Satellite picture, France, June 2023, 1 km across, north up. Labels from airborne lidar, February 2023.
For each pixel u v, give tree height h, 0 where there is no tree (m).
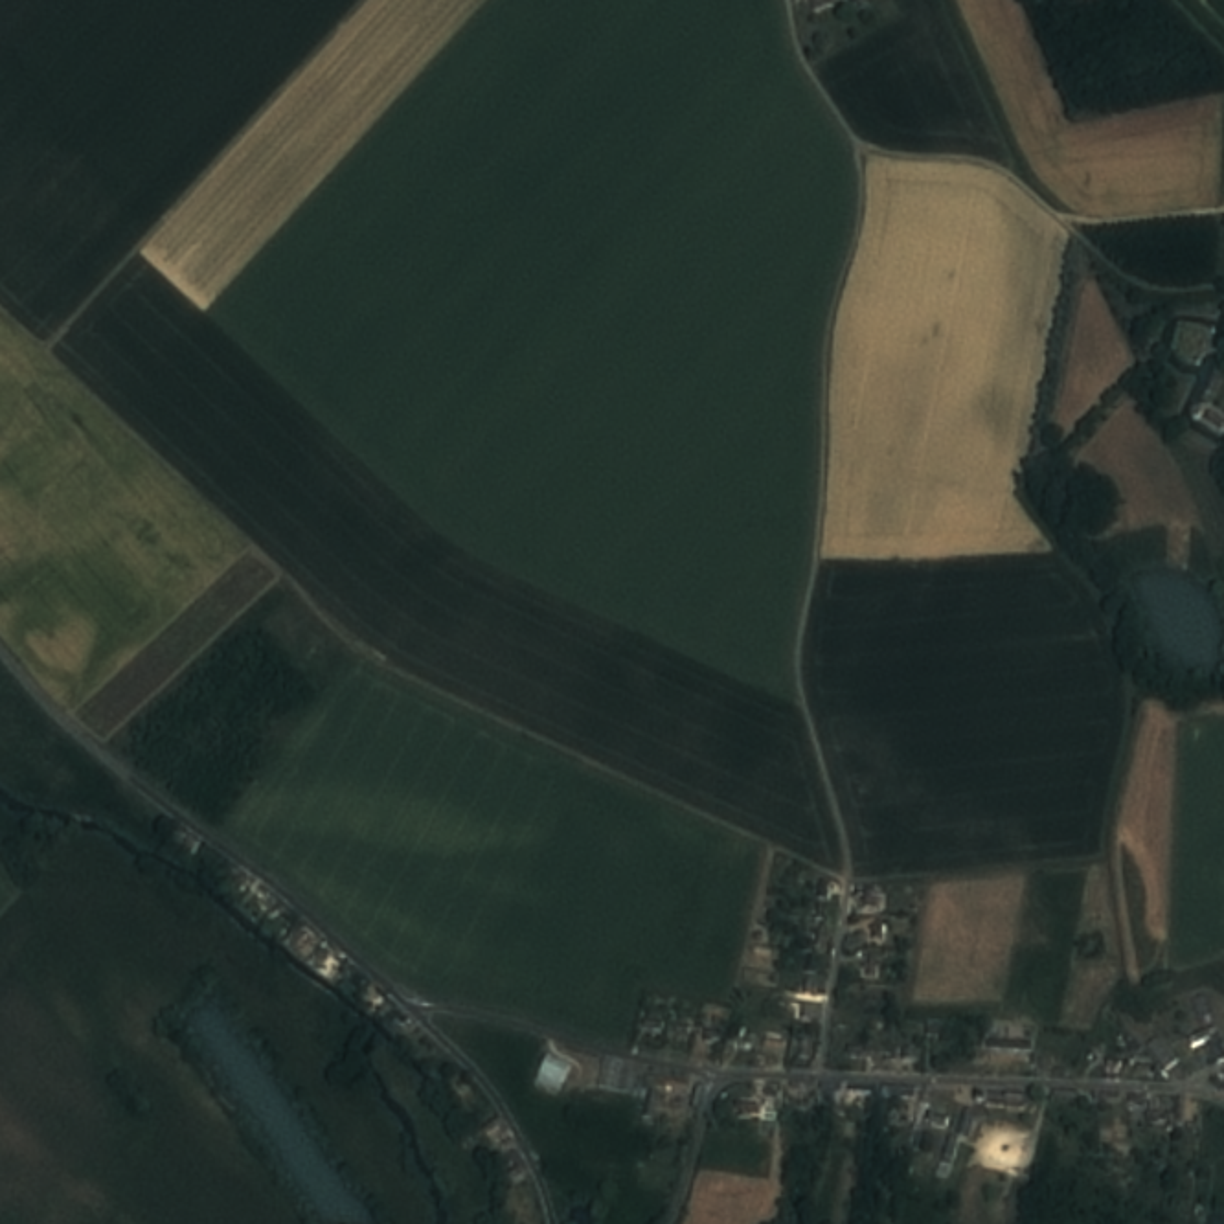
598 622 0
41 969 0
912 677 0
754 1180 0
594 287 0
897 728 0
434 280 0
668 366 0
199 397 0
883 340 0
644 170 0
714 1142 0
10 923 0
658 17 0
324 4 0
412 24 0
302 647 0
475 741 0
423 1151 0
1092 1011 0
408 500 0
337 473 0
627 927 0
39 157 0
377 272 0
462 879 0
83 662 0
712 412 0
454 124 0
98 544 0
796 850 0
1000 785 0
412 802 0
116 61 0
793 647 0
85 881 0
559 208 0
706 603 0
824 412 0
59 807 0
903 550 0
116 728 0
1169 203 0
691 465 0
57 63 0
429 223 0
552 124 0
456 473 0
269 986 0
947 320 0
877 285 0
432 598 0
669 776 0
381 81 0
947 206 0
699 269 0
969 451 0
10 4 0
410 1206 0
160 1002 0
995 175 0
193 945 0
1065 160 0
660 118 0
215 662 9
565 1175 0
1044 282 0
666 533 0
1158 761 0
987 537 0
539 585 0
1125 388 11
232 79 0
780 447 0
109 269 0
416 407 0
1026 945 0
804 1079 0
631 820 0
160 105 0
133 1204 0
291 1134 0
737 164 0
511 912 0
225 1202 0
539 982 0
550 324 0
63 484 0
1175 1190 11
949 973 0
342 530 0
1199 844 0
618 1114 0
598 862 0
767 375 0
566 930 0
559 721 0
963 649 0
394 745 0
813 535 0
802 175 0
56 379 0
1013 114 0
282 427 0
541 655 0
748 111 0
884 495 0
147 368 0
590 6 0
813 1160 6
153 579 0
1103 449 0
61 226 0
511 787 0
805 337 0
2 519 0
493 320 0
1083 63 11
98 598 0
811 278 0
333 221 0
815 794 0
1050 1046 0
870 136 0
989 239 0
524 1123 0
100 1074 0
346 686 0
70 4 0
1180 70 18
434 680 0
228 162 0
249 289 0
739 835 0
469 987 0
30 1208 0
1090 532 19
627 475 0
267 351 0
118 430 0
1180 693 14
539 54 0
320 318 0
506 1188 11
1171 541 0
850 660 0
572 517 0
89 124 0
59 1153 0
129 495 0
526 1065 0
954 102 0
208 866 9
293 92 0
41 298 0
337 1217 0
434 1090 16
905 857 0
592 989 0
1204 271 14
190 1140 0
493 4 0
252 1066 0
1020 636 0
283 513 0
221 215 0
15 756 0
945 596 0
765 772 0
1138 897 0
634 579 0
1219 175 0
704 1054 0
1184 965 0
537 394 0
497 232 0
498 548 0
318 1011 0
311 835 0
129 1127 0
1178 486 0
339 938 0
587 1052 0
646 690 0
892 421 0
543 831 0
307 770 0
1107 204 0
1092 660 0
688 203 0
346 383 0
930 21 0
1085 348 0
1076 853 0
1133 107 14
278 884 0
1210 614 0
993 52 0
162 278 0
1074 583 0
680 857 0
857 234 0
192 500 0
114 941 0
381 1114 0
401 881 0
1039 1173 10
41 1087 0
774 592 0
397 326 0
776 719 0
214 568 0
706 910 0
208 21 0
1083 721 0
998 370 0
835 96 0
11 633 0
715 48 0
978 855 0
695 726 0
